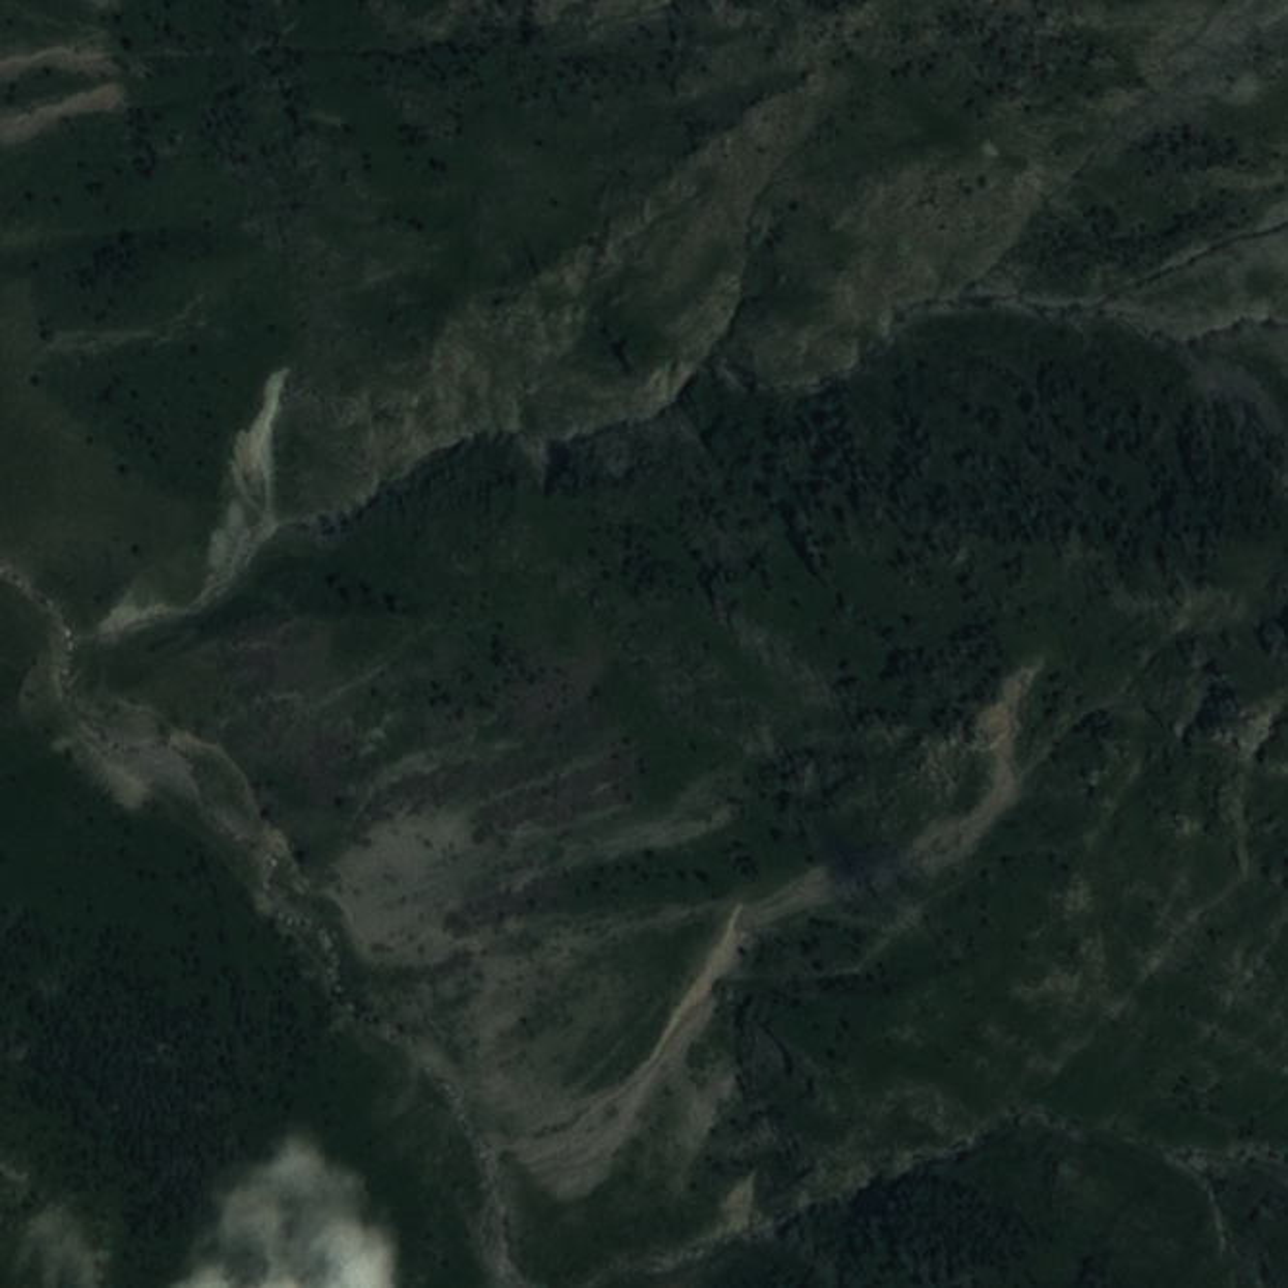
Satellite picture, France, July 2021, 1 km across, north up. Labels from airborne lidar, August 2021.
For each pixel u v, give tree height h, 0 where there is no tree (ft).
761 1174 0
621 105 0
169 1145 22
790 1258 0
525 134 0
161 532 0
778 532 0
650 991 0
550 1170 0
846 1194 0
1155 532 0
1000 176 0
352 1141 0
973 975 0
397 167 0
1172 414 0
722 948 0
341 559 0
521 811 0
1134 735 0
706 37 0
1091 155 0
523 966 0
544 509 0
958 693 0
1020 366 0
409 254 0
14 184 0
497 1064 0
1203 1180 0
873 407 0
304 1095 0
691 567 0
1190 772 0
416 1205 0
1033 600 0
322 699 0
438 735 0
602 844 0
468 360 0
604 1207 0
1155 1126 0
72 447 0
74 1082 22
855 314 0
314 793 0
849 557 0
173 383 0
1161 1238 0
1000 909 0
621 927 0
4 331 0
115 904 0
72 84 0
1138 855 0
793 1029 0
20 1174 0
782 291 0
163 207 0
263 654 0
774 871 0
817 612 0
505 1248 0
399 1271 0
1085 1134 0
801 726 0
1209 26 0
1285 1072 0
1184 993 0
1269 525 25
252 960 0
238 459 0
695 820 0
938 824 0
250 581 0
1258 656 0
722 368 0
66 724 0
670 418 0
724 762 0
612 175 0
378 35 0
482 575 0
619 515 0
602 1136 0
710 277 0
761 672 0
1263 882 0
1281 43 0
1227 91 0
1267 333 0
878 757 0
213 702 0
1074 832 0
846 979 29
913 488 38
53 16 0
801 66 0
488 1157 0
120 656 0
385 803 0
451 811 0
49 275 0
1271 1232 0
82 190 0
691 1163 0
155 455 29
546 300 0
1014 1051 0
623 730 0
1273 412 0
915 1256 25
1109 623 0
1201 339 0
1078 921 0
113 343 0
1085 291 0
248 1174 0
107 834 0
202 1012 23
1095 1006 0
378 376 0
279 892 0
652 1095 0
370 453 0
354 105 0
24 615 0
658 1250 0
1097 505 0
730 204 0
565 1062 0
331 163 0
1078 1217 0
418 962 0
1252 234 0
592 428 0
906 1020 0
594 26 0
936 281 0
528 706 0
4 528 0
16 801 0
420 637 0
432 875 0
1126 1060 0
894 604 0
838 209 0
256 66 0
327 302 0
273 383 0
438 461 0
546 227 0
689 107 0
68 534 0
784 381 0
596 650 0
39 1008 46
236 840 0
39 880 0
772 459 0
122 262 31
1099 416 32
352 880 0
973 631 37
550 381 0
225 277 0
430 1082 0
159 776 0
